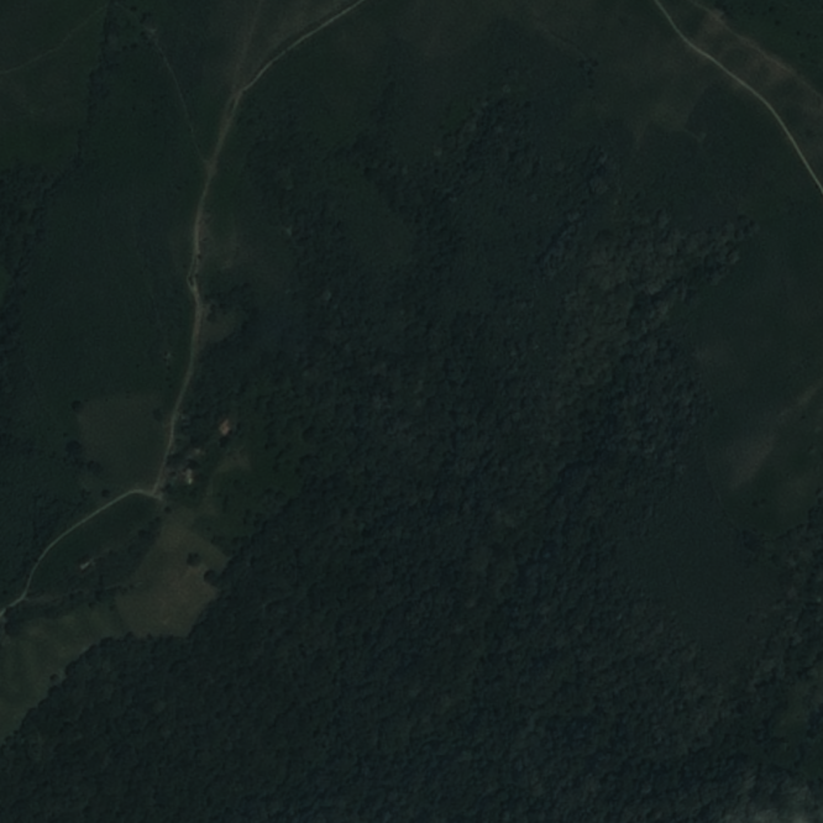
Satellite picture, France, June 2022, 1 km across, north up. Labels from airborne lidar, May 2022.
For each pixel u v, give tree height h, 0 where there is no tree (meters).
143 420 0
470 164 14
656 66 0
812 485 0
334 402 15
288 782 10
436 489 22
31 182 9
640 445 7
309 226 8
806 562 19
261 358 6
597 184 19
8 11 0
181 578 0
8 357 19
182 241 0
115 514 0
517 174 9
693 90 0
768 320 0
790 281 0
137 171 0
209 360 10
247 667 17
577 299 11
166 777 20
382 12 0
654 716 12
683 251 11
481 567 19
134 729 23
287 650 16
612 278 9
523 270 9
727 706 20
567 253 15
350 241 6
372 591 24
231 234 0
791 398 0
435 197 18
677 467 9
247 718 24
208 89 0
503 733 10
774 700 26
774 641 13
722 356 0
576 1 0
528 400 8
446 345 9
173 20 0
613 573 11
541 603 25
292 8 0
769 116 0
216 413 7
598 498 11
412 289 17
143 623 0
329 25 0
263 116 8
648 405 15
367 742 24
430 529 8
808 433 0
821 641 22
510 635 12
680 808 19
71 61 0
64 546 0
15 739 7
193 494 6
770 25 0
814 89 0
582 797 19
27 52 0
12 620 12
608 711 28
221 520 0
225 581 16
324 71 0
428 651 16
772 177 0
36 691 0
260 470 0
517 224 6
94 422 0
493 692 19
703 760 30
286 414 10
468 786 10
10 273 9
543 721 21
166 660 18
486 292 6
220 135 0
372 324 8
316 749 27
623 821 18
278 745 21
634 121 0
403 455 14
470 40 0
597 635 13
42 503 10
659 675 10
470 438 24
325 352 15
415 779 29
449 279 9
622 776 28
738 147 0
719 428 0
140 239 0
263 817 24
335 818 21
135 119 0
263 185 9
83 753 24
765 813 13
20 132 0
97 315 0
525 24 0
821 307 0
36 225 14
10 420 10
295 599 26
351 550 12
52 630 0
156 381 0
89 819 25
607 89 0
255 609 19
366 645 11
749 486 0
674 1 0
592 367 8
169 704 17
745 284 0
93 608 10
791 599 14
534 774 12
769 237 0
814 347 0
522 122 8
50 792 7
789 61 0
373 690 10
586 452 27
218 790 22
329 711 28
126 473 0
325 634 25
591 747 24
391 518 19
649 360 17
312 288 15
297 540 20
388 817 24
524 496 21
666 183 7
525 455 6
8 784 16
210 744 18
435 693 11
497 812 15
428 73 0
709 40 0
